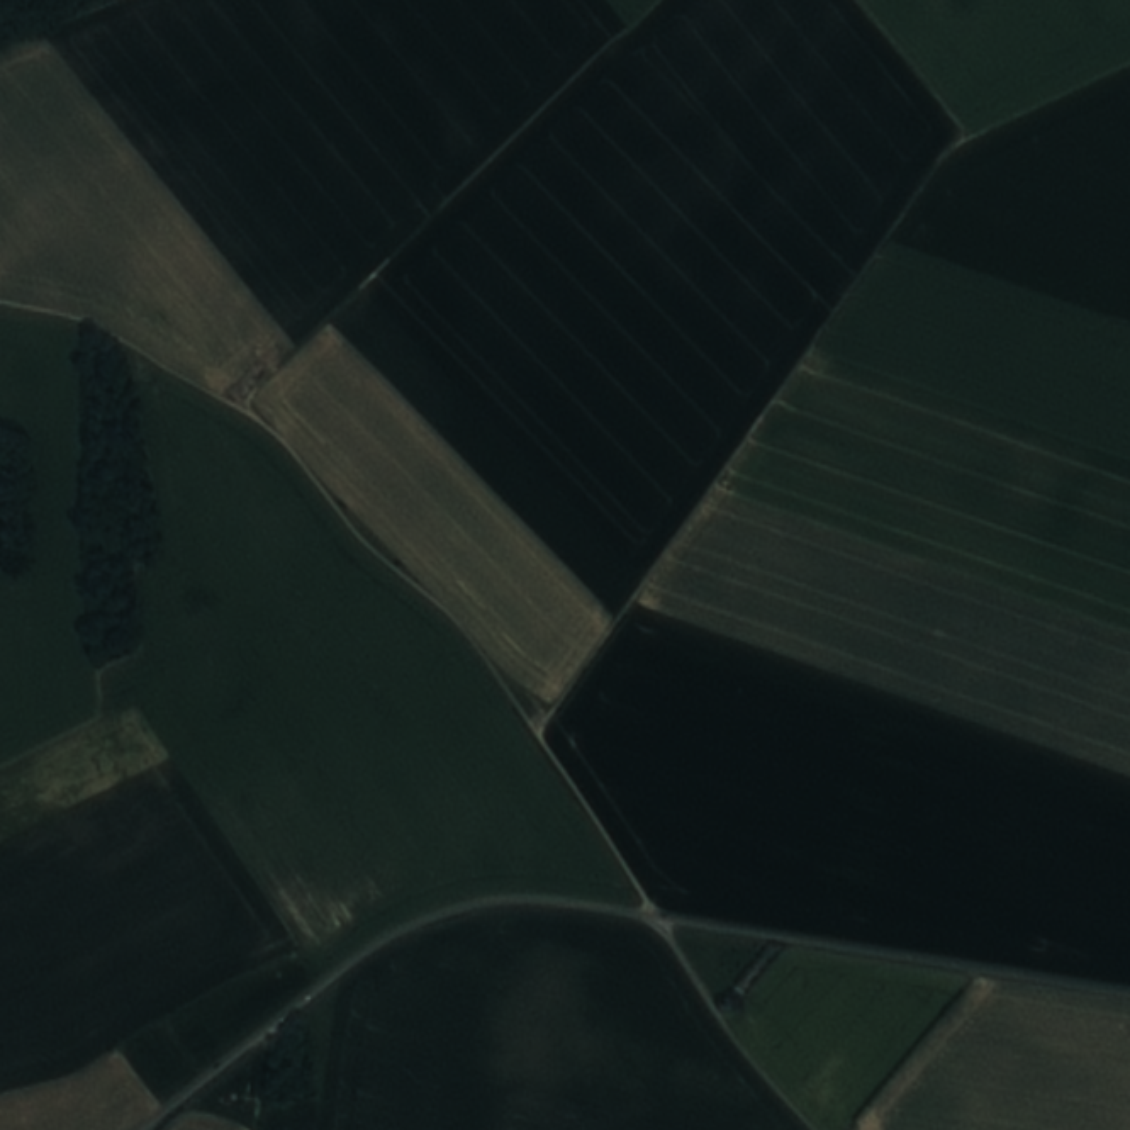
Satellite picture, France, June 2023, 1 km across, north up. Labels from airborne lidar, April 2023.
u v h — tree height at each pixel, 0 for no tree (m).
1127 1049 0
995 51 0
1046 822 0
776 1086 0
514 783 0
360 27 0
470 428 0
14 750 0
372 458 0
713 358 0
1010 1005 0
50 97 0
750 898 0
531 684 0
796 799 0
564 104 0
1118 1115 0
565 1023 0
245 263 0
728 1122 0
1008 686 0
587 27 0
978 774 0
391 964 0
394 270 0
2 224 0
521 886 0
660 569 0
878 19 0
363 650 0
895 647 0
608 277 0
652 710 0
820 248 0
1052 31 0
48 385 0
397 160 0
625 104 0
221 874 0
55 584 0
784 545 0
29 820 0
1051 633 0
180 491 0
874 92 0
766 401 0
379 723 0
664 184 0
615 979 0
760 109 0
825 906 0
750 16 0
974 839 0
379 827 0
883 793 0
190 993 0
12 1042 0
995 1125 0
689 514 0
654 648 0
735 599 0
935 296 0
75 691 0
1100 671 0
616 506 0
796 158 0
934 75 0
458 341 0
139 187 0
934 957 0
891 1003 0
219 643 0
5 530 17
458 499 0
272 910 0
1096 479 0
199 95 0
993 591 0
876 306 0
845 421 0
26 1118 0
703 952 0
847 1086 0
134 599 22
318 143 0
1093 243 0
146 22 0
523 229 0
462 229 0
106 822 0
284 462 0
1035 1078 0
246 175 0
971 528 0
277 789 0
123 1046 0
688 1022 0
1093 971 0
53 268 0
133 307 0
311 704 0
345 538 0
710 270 0
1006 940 0
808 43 0
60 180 0
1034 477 0
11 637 0
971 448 0
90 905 0
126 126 0
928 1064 0
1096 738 0
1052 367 0
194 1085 0
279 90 0
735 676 0
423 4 0
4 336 0
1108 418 0
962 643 0
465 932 0
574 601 0
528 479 0
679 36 0
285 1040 13
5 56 0
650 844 0
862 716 0
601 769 0
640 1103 0
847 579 0
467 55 0
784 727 0
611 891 0
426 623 0
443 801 0
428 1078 0
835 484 0
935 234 0
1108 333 0
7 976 0
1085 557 0
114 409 6
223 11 0
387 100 0
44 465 0
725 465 0
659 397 0
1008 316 0
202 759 0
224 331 0
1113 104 0
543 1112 0
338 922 0
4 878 0
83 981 0
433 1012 0
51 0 21
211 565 0
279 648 0
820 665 0
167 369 0
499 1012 0
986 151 0
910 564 0
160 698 0
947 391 0
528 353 0
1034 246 0
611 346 0
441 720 0
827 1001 0
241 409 0
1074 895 0
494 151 0
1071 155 0
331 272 0
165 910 0
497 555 0
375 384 0
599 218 0
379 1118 0
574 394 0
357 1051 0
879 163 0
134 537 21
